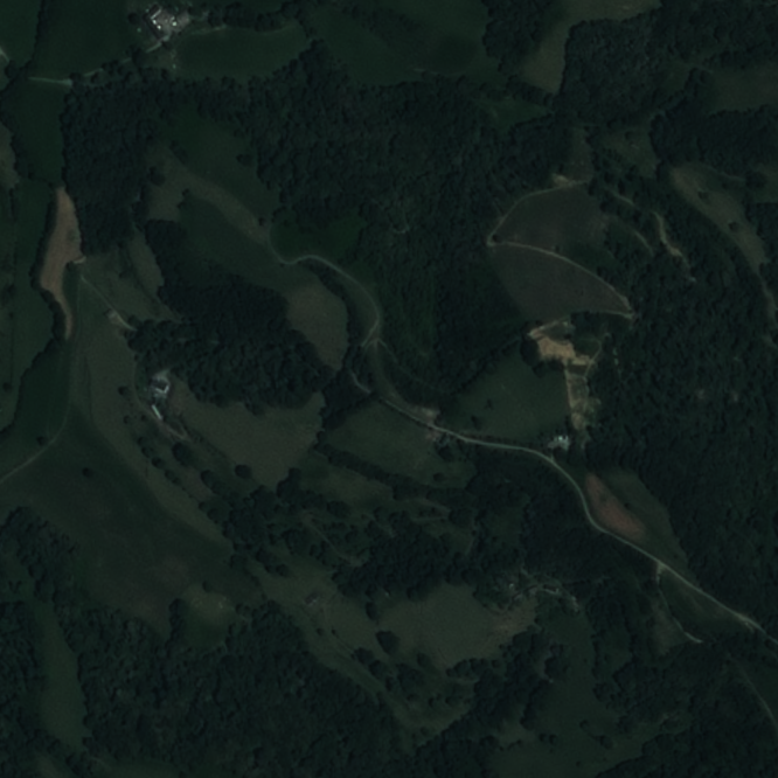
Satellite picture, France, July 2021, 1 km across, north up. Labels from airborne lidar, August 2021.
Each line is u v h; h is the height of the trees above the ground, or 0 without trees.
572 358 0
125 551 0
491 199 23
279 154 20
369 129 21
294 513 24
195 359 7
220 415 0
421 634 0
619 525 0
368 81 0
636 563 11
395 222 15
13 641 23
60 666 0
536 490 6
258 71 0
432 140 12
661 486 15
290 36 0
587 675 0
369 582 20
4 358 0
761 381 11
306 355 17
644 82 24
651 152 0
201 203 0
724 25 29
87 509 0
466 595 0
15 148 17
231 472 0
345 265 8
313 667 21
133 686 25
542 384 0
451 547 6
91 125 18
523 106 0
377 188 18
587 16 0
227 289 10
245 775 14
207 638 0
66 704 0
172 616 6
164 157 0
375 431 0
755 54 27
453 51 0
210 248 0
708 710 23
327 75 20
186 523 0
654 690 16
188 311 23
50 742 20
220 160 0
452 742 17
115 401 0
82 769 21
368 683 0
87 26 0
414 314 9
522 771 0
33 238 0
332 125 22
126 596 0
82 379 0
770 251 6
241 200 0
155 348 22
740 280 10
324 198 21
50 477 0
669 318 27
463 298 18
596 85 24
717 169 17
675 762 17
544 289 0
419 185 27
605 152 8
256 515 23
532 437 0
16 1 0
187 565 0
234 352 32
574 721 0
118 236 21
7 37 0
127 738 24
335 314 0
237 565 14
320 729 22
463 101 19
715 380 25
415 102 8
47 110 0
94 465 0
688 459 21
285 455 0
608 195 27
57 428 0
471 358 6
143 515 0
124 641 7
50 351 15
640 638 18
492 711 27
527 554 9
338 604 0
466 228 30
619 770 16
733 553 25
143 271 0
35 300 0
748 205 6
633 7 0
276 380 23
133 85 20
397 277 18
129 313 0
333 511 19
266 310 25
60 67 0
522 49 25
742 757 9
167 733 26
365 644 0
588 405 0
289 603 0
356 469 16
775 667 12
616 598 19
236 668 28
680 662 8
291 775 16
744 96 0
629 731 19
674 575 0
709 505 20
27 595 11
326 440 12
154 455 10
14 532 20
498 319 6
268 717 26
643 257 26
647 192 13
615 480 0
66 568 21
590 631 0
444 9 0
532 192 20
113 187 18
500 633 0
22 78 20
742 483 23
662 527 0
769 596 21
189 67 0
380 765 28
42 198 0
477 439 9
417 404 10
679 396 23
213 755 25
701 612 0
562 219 0
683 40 27
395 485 14
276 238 0
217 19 16
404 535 20
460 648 0
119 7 0
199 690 26
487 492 21
